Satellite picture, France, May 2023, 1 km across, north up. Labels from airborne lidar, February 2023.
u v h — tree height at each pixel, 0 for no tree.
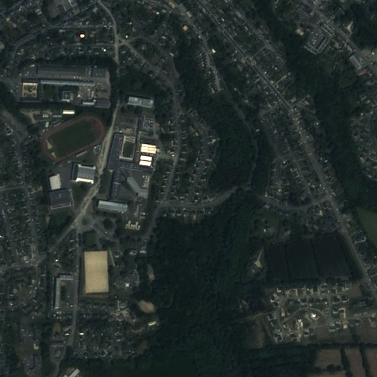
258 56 0
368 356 0
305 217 0
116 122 0
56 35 11
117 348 10
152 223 0
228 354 10
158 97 19
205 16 7
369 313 0
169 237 16
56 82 0
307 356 23
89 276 0
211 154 9
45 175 10
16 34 0
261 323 0
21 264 0
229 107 14
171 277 21
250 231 7
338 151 21
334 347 12
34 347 0
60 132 0
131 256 0
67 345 0
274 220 0
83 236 6
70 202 0
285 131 7
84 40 16
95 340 0
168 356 18
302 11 0
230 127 23
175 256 21
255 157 16
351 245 0
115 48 0
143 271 18
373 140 0
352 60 0
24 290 0
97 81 0
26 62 15
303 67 23
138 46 6
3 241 6
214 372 20
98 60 26
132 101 0
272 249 0
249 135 15
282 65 0
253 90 0
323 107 20
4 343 0
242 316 17
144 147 0
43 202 12
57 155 0
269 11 20
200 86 12
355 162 8
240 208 23
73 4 0
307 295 0
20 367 0
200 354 19
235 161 19
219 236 16
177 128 0
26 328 0
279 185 0
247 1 0
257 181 19
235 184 18
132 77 0
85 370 9
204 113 20
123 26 7
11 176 6
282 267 0
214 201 0
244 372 16
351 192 25
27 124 13
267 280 18
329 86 22
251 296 8
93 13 6
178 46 9
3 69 7
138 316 19
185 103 14
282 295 0
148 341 15
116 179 0
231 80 20
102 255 0
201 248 9
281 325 0
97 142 0
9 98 16
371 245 9
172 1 0
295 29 7
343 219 0
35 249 0
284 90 0
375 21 0
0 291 0
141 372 0
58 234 17
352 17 6
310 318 0
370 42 13
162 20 9
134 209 0
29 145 8
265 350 11
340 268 0
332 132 27
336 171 15
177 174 9
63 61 21
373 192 24
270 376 21
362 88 10
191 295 26
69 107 20
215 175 18
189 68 27
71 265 7
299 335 0
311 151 0
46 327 19
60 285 0
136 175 0
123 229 15
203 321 8
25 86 0
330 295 0
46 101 6
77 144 0
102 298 0
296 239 8
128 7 7
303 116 11
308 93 11
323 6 0
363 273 0
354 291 0
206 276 14
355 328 0
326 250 0
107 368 0
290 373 20
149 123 0
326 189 0
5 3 7
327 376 0
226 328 19
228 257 24
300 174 0
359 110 17
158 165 15
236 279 9
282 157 0
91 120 0
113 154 0
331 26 0
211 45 6
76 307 0
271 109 0
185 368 0
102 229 0
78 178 0
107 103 0
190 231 21
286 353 22
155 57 0
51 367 0
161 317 13
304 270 0
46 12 21
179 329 22
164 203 0
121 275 9
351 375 13
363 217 0
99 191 12
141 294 17
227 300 20
